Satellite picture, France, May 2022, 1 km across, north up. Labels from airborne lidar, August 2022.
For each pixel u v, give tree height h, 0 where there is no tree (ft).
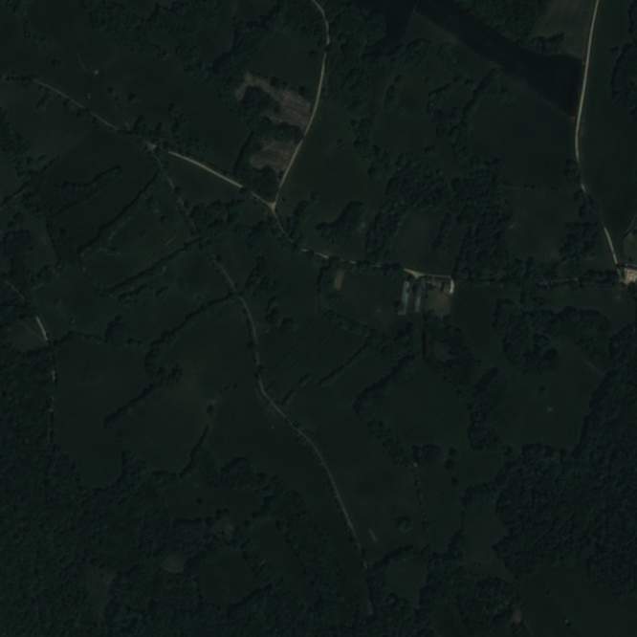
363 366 0
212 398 0
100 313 0
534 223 0
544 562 45
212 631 67
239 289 30
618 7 0
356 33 54
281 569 0
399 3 0
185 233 0
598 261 0
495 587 55
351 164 0
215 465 52
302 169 0
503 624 54
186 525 74
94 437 0
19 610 57
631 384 71
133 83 0
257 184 55
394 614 61
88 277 21
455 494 0
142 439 0
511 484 60
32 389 59
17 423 70
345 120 0
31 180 51
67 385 0
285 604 53
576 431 0
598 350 75
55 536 55
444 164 0
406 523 49
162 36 0
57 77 0
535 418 0
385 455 0
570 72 0
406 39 0
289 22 26
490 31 0
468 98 0
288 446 0
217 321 0
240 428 0
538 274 83
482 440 70
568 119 0
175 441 0
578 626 0
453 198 48
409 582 0
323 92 21
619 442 76
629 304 0
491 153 0
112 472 0
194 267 0
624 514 79
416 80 0
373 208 0
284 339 0
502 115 0
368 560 38
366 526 0
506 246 37
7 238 33
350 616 44
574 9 0
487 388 70
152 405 0
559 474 83
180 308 0
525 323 61
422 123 0
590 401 0
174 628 79
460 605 57
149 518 32
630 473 49
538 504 46
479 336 0
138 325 0
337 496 25
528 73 0
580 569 0
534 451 52
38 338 0
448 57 36
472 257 58
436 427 0
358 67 37
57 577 60
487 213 54
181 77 0
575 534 51
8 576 64
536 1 29
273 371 0
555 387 0
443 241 30
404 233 0
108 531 62
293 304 0
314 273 0
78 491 54
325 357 0
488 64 0
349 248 0
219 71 67
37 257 0
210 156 0
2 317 58
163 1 0
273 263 0
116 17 41
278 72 0
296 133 57
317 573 39
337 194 0
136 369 0
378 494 0
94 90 0
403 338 54
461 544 66
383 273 25
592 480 60
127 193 0
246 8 0
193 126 0
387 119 0
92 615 24
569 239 51
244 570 0
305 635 60
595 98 0
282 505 49
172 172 34
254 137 37
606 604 0
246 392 0
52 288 0
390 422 0
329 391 0
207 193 0
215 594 0
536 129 0
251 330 24
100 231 44
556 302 0
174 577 31
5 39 0
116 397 0
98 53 0
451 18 0
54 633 54
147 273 25
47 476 87
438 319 32
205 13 64
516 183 0
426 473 0
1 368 59
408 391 0
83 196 32
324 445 0
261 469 0
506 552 73
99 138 0
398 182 42
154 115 0
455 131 50
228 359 0
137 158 0
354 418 0
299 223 68
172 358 0
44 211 28
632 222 0
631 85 68
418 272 0
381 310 0
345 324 30
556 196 0
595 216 50
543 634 0
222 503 0
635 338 43
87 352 0
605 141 0
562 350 0
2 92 0
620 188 0
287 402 18
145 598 48
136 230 0
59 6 0
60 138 0
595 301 0
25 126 0
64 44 0
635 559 58
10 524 62
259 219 0
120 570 32
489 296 0
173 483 35
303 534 43
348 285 0
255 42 57
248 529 48
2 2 47
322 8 29
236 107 62
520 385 0
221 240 0
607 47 0
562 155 0
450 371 51
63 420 0
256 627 64
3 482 60
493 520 0
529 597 0
